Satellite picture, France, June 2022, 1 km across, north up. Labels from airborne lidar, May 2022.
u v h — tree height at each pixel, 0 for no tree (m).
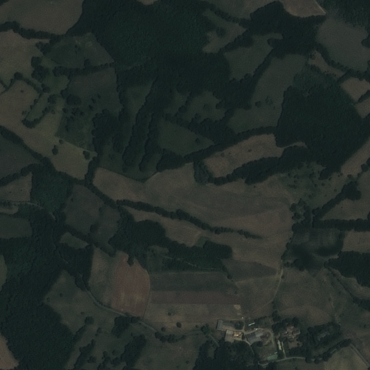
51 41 16
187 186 0
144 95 0
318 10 0
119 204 15
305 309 0
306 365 0
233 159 0
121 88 20
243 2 0
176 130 0
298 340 9
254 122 0
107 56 0
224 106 12
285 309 0
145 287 0
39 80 8
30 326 23
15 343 24
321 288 0
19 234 0
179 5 13
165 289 0
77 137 0
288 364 0
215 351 7
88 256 18
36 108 0
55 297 0
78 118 0
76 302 0
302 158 20
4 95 0
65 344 8
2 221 0
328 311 0
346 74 13
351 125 17
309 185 0
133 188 0
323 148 17
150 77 18
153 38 11
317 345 5
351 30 0
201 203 0
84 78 0
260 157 0
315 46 16
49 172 16
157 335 16
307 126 15
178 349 0
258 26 19
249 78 14
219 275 0
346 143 18
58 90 0
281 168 20
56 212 12
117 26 13
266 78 0
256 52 0
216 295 0
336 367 0
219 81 17
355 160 0
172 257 8
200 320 0
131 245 12
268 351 0
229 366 14
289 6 0
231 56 0
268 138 0
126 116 20
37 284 15
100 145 19
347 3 16
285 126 15
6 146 0
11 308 18
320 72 11
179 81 15
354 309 0
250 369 15
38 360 19
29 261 12
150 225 18
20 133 0
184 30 12
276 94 0
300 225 20
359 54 0
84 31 22
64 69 22
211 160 0
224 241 0
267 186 0
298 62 0
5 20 0
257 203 0
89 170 14
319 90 14
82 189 0
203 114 0
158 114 21
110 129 20
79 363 17
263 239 0
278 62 0
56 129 0
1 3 15
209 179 13
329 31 0
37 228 13
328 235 0
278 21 18
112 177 0
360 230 15
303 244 0
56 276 16
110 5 11
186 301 0
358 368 0
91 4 20
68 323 0
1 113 0
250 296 0
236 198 0
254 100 0
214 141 11
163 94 20
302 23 13
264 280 0
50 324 17
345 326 0
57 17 0
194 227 0
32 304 20
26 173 12
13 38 0
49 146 0
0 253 20
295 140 15
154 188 0
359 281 13
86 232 0
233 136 21
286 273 0
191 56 12
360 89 0
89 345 12
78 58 0
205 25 13
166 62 20
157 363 0
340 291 6
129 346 18
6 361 0
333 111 12
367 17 7
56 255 17
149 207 20
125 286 0
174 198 0
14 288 22
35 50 0
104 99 0
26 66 0
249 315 0
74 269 18
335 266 14
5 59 0
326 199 0
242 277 0
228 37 0
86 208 0
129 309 0
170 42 12
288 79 0
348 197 18
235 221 0
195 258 9
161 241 13
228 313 0
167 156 19
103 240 0
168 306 0
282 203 0
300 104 15
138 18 15
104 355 11
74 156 0
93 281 0
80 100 18
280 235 0
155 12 12
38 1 0
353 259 15
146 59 8
